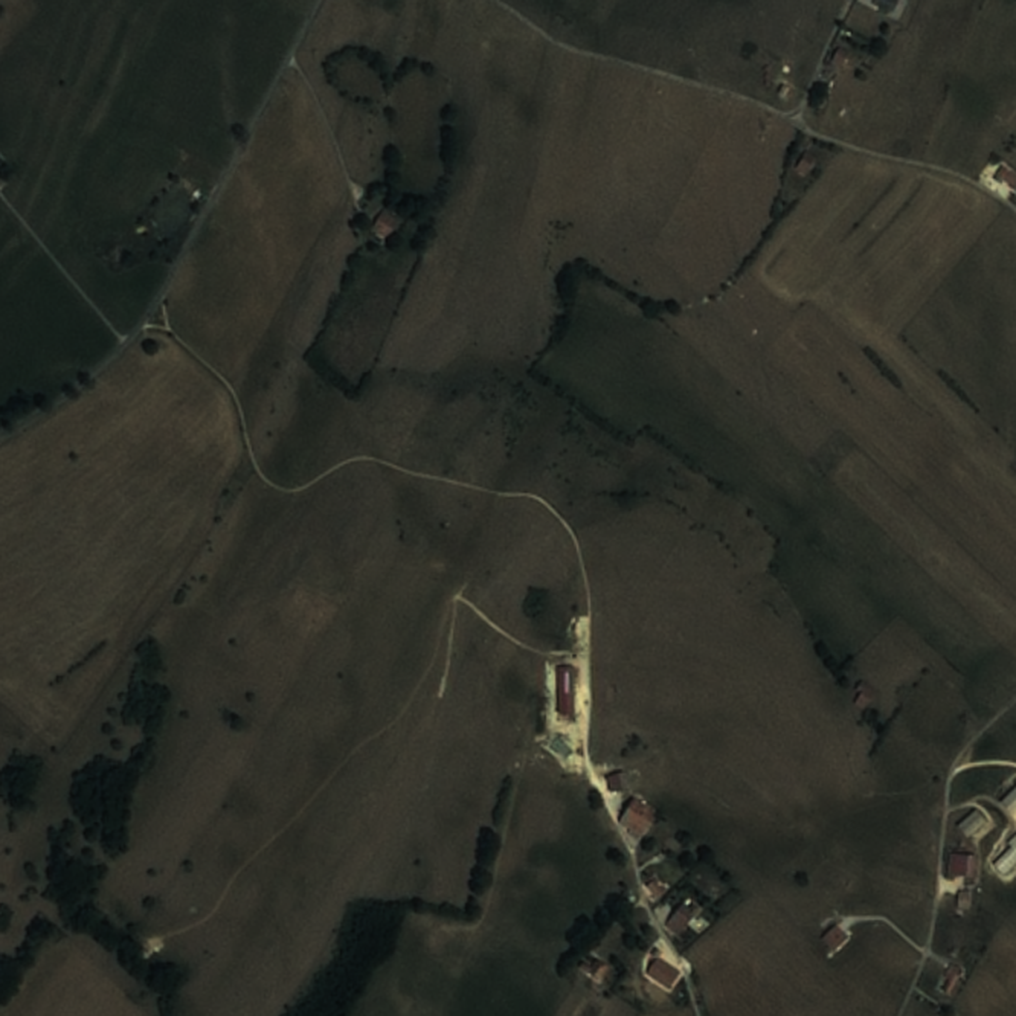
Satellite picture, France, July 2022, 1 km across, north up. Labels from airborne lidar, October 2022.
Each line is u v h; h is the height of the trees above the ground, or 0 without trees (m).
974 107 0
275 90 0
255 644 0
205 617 0
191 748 0
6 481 0
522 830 0
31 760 7
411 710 0
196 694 0
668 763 0
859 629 0
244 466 0
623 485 0
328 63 6
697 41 0
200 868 0
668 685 0
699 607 0
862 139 0
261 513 0
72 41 0
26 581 0
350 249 0
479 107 0
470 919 9
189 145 0
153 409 0
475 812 0
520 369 0
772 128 0
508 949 0
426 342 0
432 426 0
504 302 0
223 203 0
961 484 0
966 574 0
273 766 0
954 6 0
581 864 0
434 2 0
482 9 0
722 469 0
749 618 0
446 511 0
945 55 0
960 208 0
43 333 0
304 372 0
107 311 0
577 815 0
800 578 0
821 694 0
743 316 0
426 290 0
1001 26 0
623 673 0
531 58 0
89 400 0
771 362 0
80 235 0
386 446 0
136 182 0
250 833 0
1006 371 0
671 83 0
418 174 0
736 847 0
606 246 0
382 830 0
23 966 16
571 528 0
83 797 16
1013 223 0
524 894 0
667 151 0
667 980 0
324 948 0
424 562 0
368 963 18
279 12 0
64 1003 0
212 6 0
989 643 0
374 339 0
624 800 0
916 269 0
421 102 0
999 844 0
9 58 0
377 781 0
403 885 0
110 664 0
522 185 0
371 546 0
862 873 0
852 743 0
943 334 0
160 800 0
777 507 0
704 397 0
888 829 0
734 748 0
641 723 0
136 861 0
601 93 0
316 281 0
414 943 0
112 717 6
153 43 0
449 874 0
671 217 0
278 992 0
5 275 0
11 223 0
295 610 0
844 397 0
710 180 0
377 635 0
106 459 0
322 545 0
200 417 0
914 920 0
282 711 0
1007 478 0
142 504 0
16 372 0
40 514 0
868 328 0
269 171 0
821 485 0
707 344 0
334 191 0
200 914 0
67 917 7
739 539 0
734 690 0
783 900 0
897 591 0
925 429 0
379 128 0
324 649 0
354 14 0
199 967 0
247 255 0
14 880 0
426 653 0
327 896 0
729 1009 0
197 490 0
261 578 0
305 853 0
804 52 0
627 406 0
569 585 0
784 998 0
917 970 0
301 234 0
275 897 0
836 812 0
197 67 0
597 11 0
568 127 0
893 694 0
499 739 0
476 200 0
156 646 8
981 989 0
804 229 0
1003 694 0
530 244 0
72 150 0
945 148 0
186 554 0
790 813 0
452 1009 0
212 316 0
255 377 0
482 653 0
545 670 0
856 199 0
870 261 0
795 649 0
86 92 0
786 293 0
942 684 0
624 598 0
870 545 0
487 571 0
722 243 0
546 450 0
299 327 0
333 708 0
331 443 0
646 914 0
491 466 0
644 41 0
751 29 0
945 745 0
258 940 0
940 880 0
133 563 0
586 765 0
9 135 0
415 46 0
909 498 0
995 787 0
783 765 0
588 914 0
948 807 0
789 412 0
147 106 0
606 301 0
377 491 0
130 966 22
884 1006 0
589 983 0
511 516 0
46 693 0
